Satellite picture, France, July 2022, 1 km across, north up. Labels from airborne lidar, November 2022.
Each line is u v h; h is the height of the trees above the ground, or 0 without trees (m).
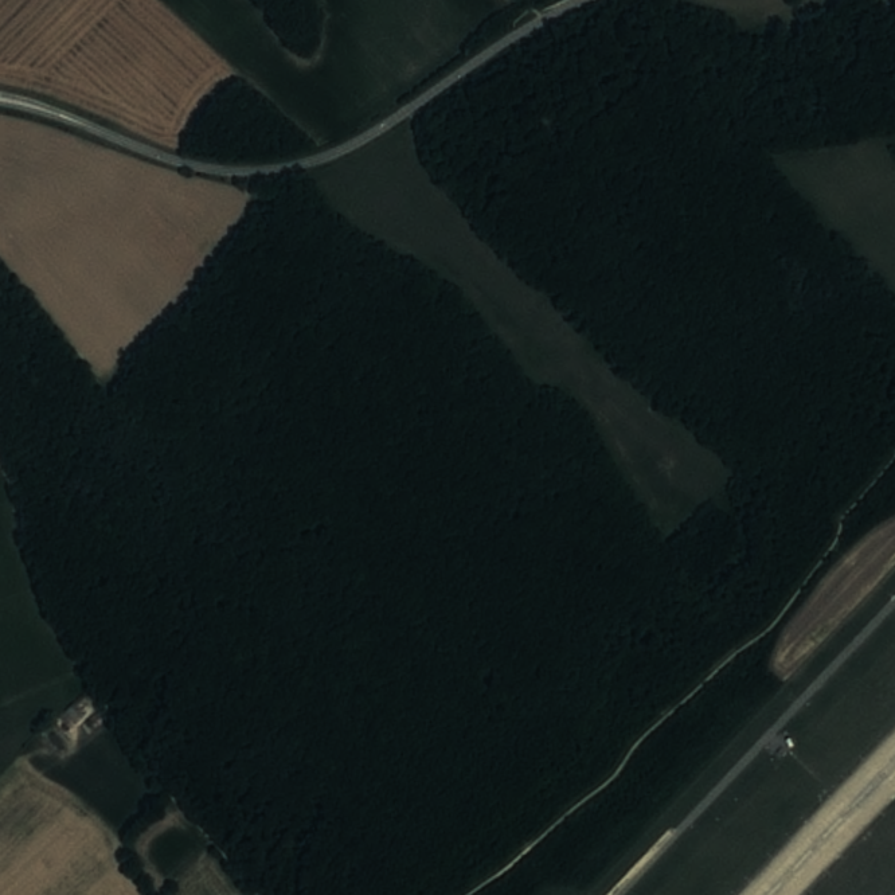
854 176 0
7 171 0
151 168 0
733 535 13
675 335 24
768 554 11
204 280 20
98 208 0
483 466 30
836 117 24
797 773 0
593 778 12
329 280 27
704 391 25
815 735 0
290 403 30
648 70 15
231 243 19
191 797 24
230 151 25
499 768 25
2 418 23
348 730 31
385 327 33
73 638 26
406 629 26
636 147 27
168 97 0
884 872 0
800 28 22
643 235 26
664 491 0
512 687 25
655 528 12
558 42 18
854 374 22
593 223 27
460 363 26
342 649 28
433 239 0
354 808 32
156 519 25
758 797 0
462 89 9
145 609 31
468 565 29
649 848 0
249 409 24
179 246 0
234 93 22
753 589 23
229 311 28
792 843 0
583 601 26
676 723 8
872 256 0
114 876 0
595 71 28
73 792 0
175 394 28
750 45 15
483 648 30
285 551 27
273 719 32
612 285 29
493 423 28
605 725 11
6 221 0
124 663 31
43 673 0
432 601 26
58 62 0
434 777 28
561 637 25
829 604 0
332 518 30
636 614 23
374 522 29
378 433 31
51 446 28
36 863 0
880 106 25
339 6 0
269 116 23
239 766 32
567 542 29
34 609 0
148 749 28
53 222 0
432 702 26
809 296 21
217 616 29
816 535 7
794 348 23
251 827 27
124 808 0
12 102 0
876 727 0
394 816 29
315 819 13
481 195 20
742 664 7
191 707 34
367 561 28
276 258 30
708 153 27
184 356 29
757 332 24
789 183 20
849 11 22
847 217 0
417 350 31
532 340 0
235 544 22
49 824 0
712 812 0
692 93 25
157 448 25
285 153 20
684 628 13
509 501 26
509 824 8
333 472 30
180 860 0
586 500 24
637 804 7
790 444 24
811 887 0
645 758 8
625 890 0
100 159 0
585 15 14
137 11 0
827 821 0
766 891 0
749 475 22
